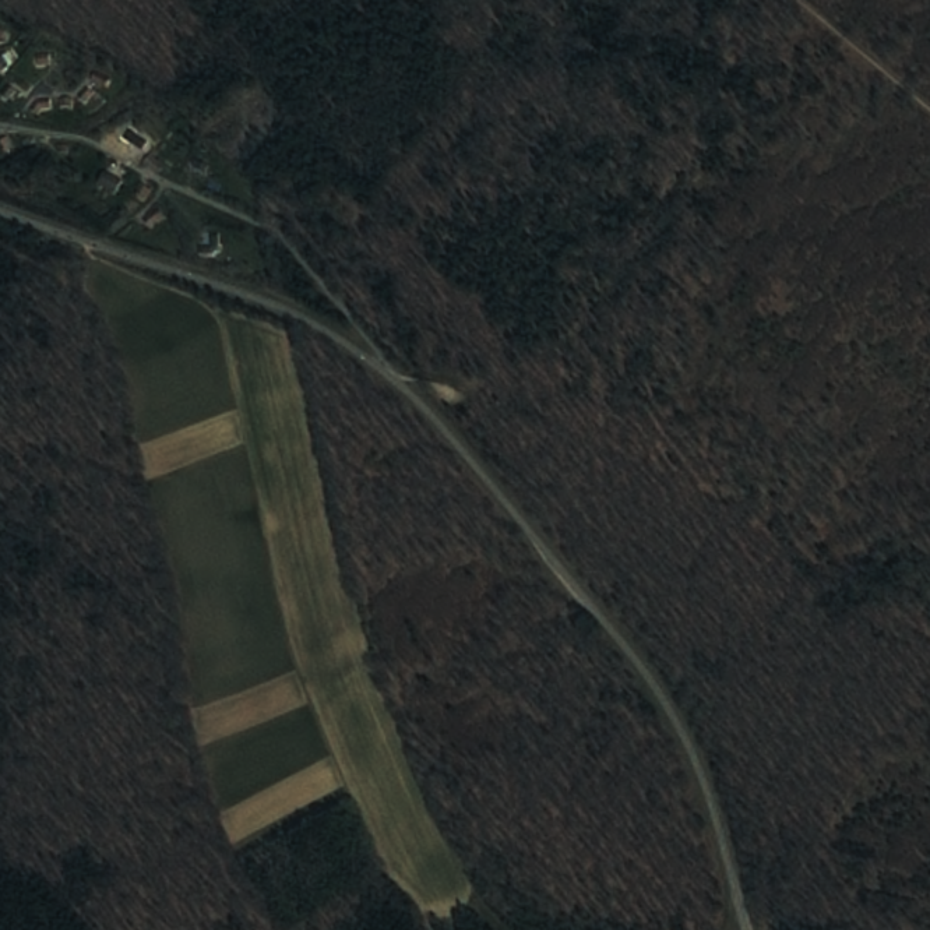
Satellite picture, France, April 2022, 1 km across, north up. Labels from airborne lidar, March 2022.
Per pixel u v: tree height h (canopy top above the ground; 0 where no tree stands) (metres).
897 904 32
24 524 26
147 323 0
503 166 28
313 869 22
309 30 6
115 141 0
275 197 26
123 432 23
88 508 29
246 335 0
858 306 6
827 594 28
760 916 23
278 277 22
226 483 0
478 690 31
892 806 9
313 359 31
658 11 27
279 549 0
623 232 9
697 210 16
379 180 22
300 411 0
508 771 31
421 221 27
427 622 11
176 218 14
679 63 17
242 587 0
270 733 0
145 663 28
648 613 30
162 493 0
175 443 0
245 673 0
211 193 9
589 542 30
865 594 24
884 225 10
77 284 22
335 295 17
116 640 28
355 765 0
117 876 27
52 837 27
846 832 9
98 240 0
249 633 0
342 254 29
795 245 9
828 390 8
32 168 18
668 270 29
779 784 24
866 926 29
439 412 0
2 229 26
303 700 0
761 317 9
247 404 0
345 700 0
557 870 27
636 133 25
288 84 21
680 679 27
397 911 13
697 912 29
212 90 31
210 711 0
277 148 21
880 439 8
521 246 24
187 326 0
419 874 0
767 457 24
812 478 24
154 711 27
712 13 26
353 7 30
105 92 0
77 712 27
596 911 23
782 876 23
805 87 9
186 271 0
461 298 25
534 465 30
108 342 23
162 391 0
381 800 0
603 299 30
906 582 21
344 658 0
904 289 8
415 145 34
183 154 9
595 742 34
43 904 22
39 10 25
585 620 30
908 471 7
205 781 28
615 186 20
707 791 0
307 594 0
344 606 0
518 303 18
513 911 18
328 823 25
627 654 0
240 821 0
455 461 29
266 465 0
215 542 0
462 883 0
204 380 0
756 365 6
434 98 23
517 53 11
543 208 29
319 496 0
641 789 32
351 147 18
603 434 24
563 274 18
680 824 31
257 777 0
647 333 24
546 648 13
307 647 0
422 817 0
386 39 27
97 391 27
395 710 19
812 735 26
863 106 28
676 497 27
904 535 26
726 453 25
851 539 33
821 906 26
